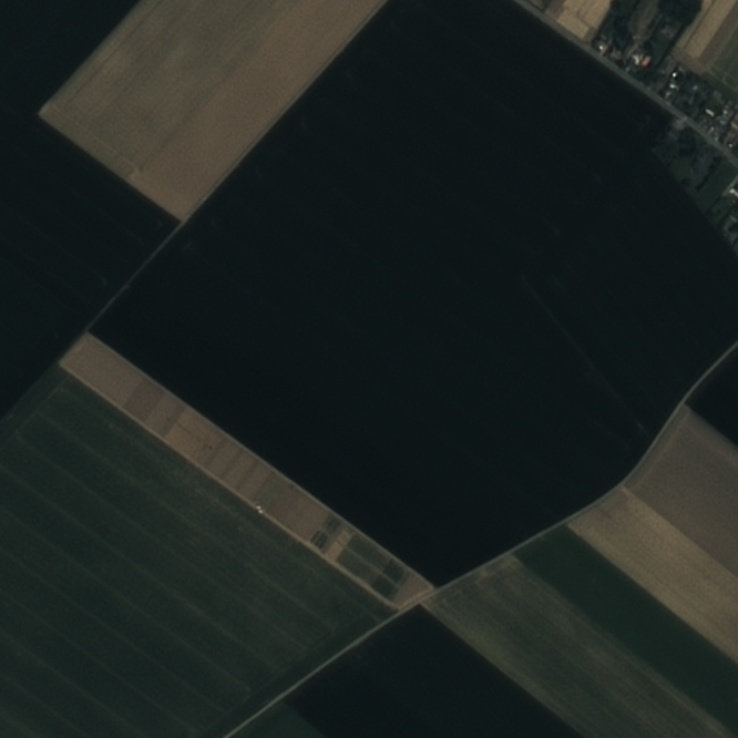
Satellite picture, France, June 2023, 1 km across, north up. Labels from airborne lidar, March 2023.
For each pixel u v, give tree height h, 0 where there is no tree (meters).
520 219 0
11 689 0
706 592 0
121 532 0
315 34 0
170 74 0
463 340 0
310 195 0
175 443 0
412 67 0
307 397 0
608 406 0
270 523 0
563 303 0
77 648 0
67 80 0
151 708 0
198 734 0
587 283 0
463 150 0
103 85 0
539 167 0
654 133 0
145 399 0
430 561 0
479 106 0
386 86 0
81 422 0
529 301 0
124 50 0
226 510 0
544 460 0
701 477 0
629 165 0
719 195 0
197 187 0
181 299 0
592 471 0
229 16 0
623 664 0
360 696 0
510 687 0
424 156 0
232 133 0
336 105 0
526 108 0
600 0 0
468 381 0
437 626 0
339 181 0
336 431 0
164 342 0
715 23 0
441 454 0
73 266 0
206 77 0
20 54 0
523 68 0
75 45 0
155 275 0
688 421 0
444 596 0
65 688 0
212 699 0
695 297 0
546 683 0
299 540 0
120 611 0
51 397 0
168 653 0
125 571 0
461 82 0
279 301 0
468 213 0
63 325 0
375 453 0
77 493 0
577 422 0
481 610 0
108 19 0
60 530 0
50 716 0
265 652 0
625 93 0
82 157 0
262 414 0
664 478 0
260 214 0
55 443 0
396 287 0
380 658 0
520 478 0
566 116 0
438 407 0
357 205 0
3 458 0
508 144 0
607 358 0
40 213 0
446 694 0
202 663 0
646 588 0
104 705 0
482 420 0
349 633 0
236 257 0
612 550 0
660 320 0
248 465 0
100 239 0
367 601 0
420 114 0
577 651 0
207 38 0
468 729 0
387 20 0
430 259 0
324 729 0
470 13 0
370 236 0
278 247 0
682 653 0
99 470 0
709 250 0
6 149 0
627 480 0
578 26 0
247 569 0
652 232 0
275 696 0
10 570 0
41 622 0
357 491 0
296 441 0
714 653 0
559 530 0
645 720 0
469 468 0
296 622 0
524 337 0
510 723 0
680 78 12
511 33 0
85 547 0
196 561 0
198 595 0
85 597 0
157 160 0
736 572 0
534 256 0
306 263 0
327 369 0
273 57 0
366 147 0
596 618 0
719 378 0
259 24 0
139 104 0
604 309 0
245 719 0
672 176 0
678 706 0
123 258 0
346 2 0
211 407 0
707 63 0
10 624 0
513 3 0
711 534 0
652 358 0
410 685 0
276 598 0
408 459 0
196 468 0
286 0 0
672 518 0
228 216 0
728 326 0
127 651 0
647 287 0
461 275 0
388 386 0
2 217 0
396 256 0
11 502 0
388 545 0
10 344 0
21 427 0
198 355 0
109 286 0
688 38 0
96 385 0
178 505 0
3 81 0
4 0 0
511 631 0
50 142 0
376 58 0
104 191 0
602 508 0
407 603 0
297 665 0
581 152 0
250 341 0
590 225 0
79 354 0
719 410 0
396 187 0
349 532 0
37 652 0
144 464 0
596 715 0
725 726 0
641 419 0
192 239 0
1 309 0
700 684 0
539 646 0
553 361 0
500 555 0
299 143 0
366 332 0
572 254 0
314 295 0
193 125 0
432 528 0
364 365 0
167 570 0
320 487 0
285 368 0
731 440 0
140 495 0
